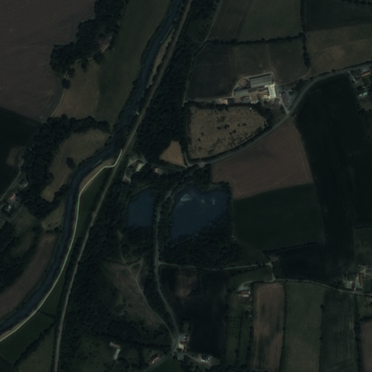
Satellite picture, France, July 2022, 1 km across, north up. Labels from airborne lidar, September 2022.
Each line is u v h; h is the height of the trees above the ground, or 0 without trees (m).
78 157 0
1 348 0
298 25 0
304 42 11
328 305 0
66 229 0
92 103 0
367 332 0
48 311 0
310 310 0
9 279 8
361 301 0
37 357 0
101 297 0
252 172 0
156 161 13
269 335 0
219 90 0
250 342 8
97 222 9
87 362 0
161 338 14
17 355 0
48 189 0
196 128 0
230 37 0
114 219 12
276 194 0
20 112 0
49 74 0
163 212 10
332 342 0
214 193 0
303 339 0
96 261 9
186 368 12
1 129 0
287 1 0
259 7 0
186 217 0
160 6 0
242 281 0
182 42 8
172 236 0
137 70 0
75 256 11
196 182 9
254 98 0
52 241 0
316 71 0
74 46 19
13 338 0
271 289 0
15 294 0
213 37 0
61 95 0
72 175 0
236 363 7
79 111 0
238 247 9
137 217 0
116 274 0
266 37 0
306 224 0
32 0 0
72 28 0
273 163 0
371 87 6
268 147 0
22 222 0
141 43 0
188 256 0
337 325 0
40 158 30
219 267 13
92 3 0
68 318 14
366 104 0
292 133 0
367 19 0
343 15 0
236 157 0
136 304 0
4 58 0
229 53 0
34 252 7
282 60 0
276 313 0
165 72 7
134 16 0
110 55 0
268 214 0
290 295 0
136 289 0
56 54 20
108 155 6
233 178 0
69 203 0
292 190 0
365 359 0
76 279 10
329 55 0
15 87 0
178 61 24
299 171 0
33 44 0
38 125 0
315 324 0
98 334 14
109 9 18
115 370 0
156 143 18
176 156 0
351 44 0
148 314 0
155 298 14
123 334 12
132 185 11
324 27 0
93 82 0
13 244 12
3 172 0
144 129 14
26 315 7
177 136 23
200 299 0
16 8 0
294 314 0
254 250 0
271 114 13
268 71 0
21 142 0
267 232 0
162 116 8
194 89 0
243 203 0
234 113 0
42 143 26
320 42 0
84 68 22
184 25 7
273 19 0
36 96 0
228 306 11
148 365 10
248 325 0
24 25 0
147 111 16
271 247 0
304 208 0
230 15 0
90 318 8
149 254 10
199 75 0
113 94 0
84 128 13
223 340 0
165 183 7
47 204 13
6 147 0
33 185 17
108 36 20
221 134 0
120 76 0
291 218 0
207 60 0
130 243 7
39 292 0
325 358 0
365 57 0
